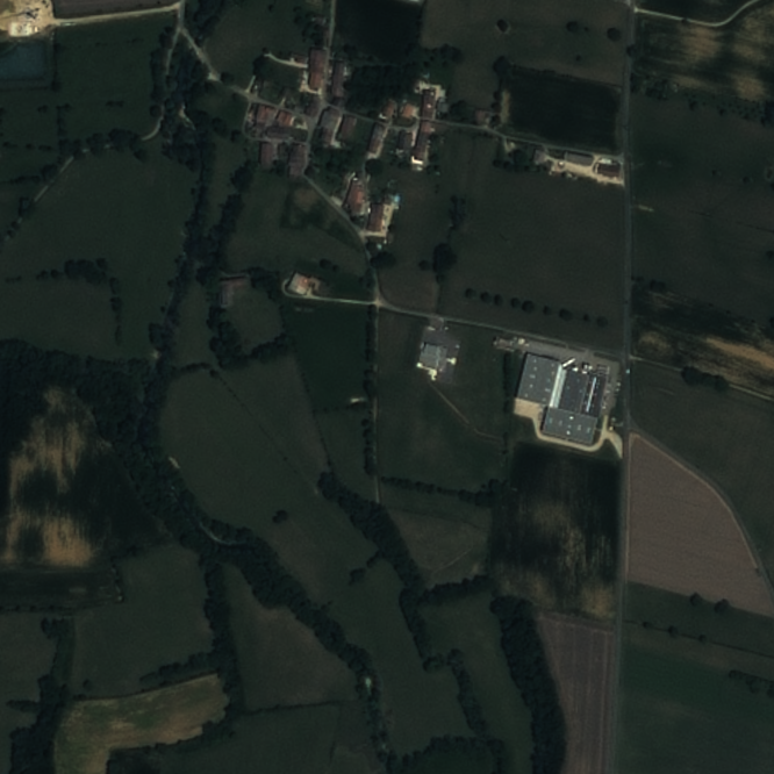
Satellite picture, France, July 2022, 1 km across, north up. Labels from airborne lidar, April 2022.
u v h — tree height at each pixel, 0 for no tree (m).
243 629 0
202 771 0
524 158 15
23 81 0
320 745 0
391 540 24
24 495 0
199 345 0
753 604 0
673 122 0
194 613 0
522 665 28
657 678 0
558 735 20
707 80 0
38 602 0
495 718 0
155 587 0
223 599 22
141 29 0
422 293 0
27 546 0
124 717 0
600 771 0
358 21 0
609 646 0
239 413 0
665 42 0
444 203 0
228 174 0
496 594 7
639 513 0
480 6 0
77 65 0
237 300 0
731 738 0
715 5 0
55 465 0
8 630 0
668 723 0
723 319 0
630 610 0
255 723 0
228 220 19
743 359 0
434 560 0
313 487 0
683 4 0
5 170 0
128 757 0
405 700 0
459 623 0
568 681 0
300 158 0
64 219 0
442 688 0
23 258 0
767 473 0
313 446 0
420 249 0
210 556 16
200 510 13
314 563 0
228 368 20
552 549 0
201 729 0
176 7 0
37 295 0
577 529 0
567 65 0
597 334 0
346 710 0
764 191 0
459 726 0
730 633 0
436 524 0
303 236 0
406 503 0
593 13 0
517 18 0
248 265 0
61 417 0
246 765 0
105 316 0
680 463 0
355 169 0
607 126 0
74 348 0
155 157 0
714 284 0
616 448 0
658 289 15
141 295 0
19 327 0
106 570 0
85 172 0
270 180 0
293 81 0
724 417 0
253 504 0
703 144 0
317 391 0
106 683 0
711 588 0
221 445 0
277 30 0
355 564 0
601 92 0
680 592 0
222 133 18
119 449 19
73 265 16
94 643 0
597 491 0
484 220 0
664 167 0
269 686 0
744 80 0
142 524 0
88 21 0
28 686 0
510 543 0
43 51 0
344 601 0
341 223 0
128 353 0
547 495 0
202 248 38
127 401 11
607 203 0
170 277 0
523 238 0
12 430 22
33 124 0
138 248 0
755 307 0
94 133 0
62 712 17
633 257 0
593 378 0
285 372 0
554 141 0
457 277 0
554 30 0
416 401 0
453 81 0
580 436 0
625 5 0
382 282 0
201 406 0
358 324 0
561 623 0
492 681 0
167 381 21
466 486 0
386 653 0
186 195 0
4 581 0
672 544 0
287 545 0
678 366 0
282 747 0
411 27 0
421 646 19
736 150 0
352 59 7
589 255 0
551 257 0
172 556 0
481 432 0
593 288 0
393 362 0
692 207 0
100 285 17
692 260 0
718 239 0
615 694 0
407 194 0
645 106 0
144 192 0
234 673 22
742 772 0
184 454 0
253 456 0
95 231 0
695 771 0
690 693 0
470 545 0
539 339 0
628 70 0
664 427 0
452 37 0
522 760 0
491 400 0
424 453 0
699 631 0
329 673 0
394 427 0
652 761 0
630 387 0
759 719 0
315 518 0
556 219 0
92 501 0
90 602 0
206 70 20
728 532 0
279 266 0
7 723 0
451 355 0
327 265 16
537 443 0
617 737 0
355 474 0
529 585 0
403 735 0
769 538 0
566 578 0
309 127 0
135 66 0
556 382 0
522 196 0
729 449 0
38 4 0
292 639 0
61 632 14
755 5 0
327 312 0
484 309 0
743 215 0
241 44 0
